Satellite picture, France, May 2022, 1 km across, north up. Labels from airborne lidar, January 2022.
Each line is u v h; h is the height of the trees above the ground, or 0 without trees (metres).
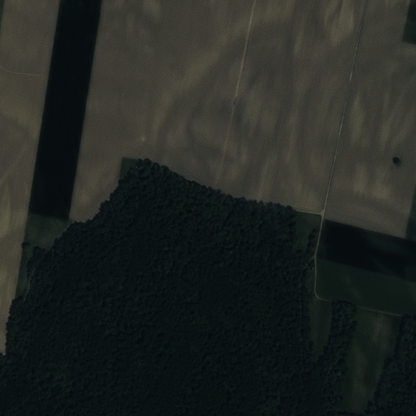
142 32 0
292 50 0
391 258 0
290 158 0
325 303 0
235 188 0
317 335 0
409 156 0
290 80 0
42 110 0
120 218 18
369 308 0
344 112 0
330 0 0
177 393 15
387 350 0
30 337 20
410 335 25
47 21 0
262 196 0
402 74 0
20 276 0
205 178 0
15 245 0
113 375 11
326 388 24
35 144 0
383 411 25
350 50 0
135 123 0
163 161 0
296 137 0
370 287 0
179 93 0
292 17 0
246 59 0
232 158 0
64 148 0
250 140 0
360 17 0
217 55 0
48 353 15
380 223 0
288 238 11
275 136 0
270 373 16
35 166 0
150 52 0
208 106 0
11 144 0
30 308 13
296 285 12
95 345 17
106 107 0
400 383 26
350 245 0
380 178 0
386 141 0
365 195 0
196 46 0
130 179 11
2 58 0
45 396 21
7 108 0
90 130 0
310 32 0
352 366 0
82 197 0
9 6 0
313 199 0
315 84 0
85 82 0
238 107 0
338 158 0
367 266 0
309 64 0
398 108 0
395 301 0
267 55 0
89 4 0
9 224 0
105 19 0
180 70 0
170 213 17
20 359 18
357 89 0
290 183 0
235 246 20
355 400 0
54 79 0
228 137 0
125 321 14
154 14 0
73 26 0
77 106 0
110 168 0
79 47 0
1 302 0
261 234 22
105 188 0
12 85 0
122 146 0
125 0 0
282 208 19
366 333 0
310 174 0
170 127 0
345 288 0
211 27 0
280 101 0
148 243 11
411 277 0
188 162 0
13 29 0
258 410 20
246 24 0
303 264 12
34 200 0
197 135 0
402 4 0
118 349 19
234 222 20
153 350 18
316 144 0
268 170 0
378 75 0
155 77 0
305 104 0
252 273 19
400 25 0
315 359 0
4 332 0
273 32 0
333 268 0
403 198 0
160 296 16
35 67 0
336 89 0
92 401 18
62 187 0
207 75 0
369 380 0
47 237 0
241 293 17
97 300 19
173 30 0
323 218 0
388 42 0
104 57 0
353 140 0
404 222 0
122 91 0
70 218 0
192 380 17
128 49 0
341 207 0
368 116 0
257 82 0
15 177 0
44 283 11
